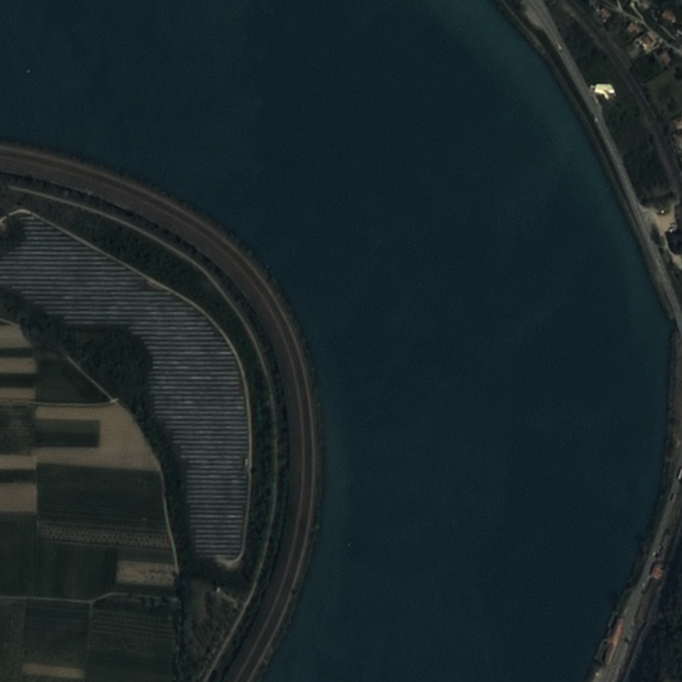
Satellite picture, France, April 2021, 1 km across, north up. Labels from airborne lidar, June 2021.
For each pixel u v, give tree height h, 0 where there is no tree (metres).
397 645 0
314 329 0
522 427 0
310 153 0
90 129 0
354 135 0
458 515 0
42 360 0
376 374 0
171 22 0
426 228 0
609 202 0
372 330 0
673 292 0
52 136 0
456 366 0
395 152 0
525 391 0
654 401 0
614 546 0
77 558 0
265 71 0
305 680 0
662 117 8
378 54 0
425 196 0
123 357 6
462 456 0
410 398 0
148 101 0
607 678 0
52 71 0
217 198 0
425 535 0
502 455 0
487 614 0
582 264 0
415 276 0
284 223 0
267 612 0
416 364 0
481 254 0
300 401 0
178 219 0
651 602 0
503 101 0
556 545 0
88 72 0
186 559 8
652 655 11
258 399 7
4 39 0
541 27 0
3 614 0
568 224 0
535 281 0
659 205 14
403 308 0
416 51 0
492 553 0
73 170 0
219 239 0
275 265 0
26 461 0
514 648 0
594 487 0
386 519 0
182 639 26
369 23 0
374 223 0
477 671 0
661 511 7
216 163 0
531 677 0
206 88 0
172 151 0
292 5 0
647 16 8
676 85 0
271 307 0
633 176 11
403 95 0
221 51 0
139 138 0
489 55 0
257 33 0
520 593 0
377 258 0
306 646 0
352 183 0
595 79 0
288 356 0
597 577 0
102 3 0
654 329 0
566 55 0
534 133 0
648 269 0
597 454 0
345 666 0
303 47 0
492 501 0
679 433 0
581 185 0
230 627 13
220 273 10
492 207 0
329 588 0
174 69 0
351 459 0
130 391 9
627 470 0
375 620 0
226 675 0
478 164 0
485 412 0
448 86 0
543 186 0
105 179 0
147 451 0
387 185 0
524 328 0
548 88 0
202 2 0
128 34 0
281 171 0
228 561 0
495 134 0
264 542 24
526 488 0
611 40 0
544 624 0
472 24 0
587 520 0
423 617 0
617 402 0
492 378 0
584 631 0
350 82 0
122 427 0
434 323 0
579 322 0
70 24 0
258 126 0
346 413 0
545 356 0
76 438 0
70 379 0
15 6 0
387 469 0
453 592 0
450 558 0
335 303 0
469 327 0
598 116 0
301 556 0
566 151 0
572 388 0
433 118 0
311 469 0
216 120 0
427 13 0
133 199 0
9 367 0
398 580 0
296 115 0
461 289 0
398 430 0
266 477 18
